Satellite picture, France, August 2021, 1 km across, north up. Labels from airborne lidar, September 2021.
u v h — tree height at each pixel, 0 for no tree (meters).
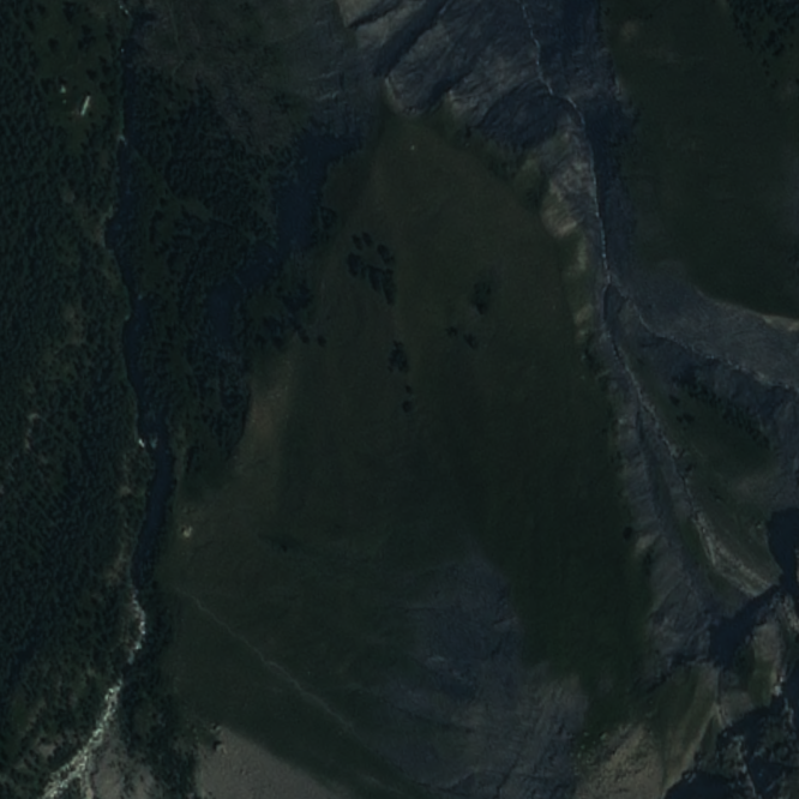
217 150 14
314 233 22
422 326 0
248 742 0
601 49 0
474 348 15
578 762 0
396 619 0
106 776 0
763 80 0
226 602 0
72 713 13
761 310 0
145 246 15
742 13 8
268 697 0
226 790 0
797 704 0
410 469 0
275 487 0
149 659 12
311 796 0
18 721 0
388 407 0
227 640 0
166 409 7
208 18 0
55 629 19
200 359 11
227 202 14
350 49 0
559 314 0
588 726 0
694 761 0
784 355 0
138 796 0
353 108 0
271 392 0
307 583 0
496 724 0
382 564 0
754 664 0
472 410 0
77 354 18
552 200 0
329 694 0
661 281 0
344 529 0
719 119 0
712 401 8
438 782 0
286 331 15
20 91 21
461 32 0
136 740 7
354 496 0
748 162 0
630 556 0
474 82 0
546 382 0
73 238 20
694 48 0
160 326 18
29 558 23
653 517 0
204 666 0
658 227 0
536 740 0
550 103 0
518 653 0
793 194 0
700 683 0
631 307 0
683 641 0
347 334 0
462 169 0
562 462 0
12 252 23
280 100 8
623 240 0
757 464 0
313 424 0
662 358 0
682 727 0
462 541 0
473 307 0
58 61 0
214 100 13
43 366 10
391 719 0
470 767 0
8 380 21
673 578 0
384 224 0
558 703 0
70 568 18
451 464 0
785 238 0
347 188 0
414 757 0
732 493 0
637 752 0
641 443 0
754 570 0
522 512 0
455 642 0
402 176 0
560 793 0
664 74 0
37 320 20
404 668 0
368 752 0
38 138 29
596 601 0
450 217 0
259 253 7
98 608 18
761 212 0
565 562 0
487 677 0
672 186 0
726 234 0
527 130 0
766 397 0
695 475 0
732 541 0
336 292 0
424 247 0
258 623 0
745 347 0
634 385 0
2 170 21
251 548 0
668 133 0
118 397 17
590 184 0
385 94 0
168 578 0
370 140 0
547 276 0
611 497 0
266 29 0
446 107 0
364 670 0
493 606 0
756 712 0
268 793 0
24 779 11
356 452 0
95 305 23
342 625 0
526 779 0
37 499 22
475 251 0
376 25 0
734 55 0
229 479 0
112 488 14
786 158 0
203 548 0
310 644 0
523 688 0
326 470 0
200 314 12
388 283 15
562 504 0
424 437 0
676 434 0
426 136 0
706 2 0
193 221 16
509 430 0
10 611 24
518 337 0
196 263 12
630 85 0
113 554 17
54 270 21
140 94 22
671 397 0
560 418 0
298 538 0
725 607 0
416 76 0
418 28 0
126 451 11
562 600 0
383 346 0
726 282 0
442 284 0
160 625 7
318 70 0
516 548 0
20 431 21
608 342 0
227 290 8
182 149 14
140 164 11
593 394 0
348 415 0
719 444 0
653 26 0
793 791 0
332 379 0
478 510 0
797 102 0
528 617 0
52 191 7
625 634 0
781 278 0
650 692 0
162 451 7
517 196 0
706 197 0
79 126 0
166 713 8
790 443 0
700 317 0
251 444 0
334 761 0
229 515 0
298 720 0
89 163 18
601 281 0
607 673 0
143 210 15
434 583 0
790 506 0
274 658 0
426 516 0
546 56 0
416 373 0
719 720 0
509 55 0
